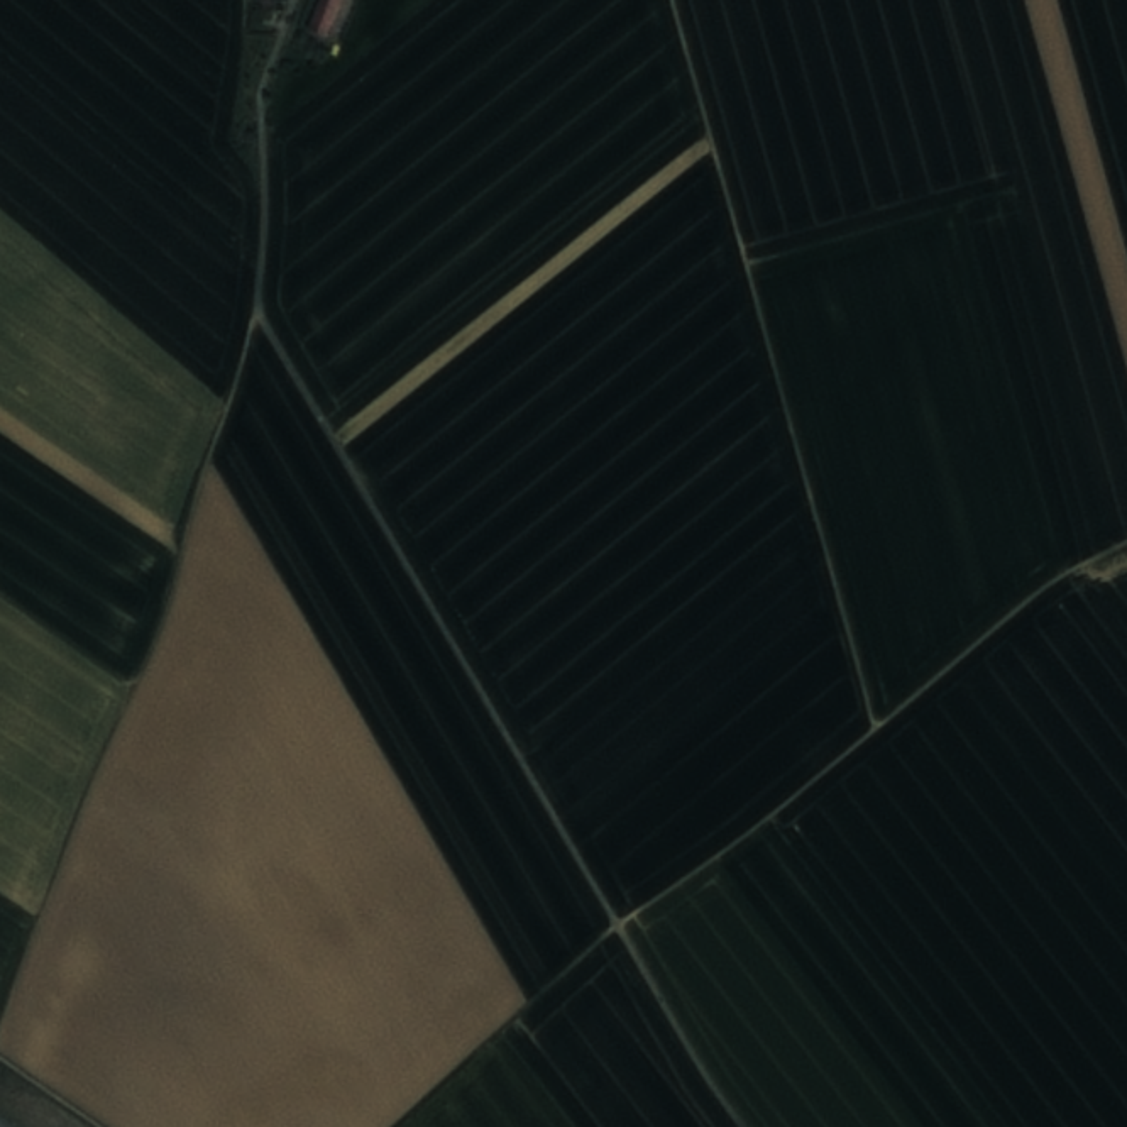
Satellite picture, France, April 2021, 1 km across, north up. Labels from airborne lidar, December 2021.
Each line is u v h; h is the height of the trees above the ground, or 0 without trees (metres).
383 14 0
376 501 0
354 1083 0
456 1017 0
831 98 0
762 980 0
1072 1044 0
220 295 0
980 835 0
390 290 0
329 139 0
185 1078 0
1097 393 0
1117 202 0
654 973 0
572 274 0
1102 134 0
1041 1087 0
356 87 0
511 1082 0
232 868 0
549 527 0
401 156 0
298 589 0
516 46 0
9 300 0
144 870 0
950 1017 0
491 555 0
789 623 0
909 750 0
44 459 0
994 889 0
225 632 0
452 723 0
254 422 0
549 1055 0
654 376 0
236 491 0
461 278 0
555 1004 0
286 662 0
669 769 0
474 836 0
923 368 0
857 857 0
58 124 0
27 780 0
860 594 0
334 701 0
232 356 0
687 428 0
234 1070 0
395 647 0
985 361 0
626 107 0
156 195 0
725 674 0
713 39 0
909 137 0
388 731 0
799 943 0
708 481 0
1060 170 0
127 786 0
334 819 0
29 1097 0
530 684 0
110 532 0
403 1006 0
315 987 0
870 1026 0
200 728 0
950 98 0
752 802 0
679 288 0
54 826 0
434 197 0
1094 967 0
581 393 0
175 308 0
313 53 11
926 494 0
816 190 0
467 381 0
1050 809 0
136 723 0
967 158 0
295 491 0
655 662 0
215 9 0
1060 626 0
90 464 0
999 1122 0
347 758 0
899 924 0
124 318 0
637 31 0
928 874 0
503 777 0
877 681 0
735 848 0
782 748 0
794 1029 0
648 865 0
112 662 0
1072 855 0
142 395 0
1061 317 0
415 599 0
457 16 0
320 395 0
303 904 0
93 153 0
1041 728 0
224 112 0
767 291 0
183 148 0
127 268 0
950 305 0
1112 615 0
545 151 0
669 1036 0
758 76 0
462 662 0
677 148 0
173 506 0
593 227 0
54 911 0
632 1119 0
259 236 0
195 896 0
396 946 0
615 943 0
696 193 0
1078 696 0
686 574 0
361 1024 0
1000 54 0
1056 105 0
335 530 0
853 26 0
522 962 0
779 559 0
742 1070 0
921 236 0
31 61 0
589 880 0
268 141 0
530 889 0
